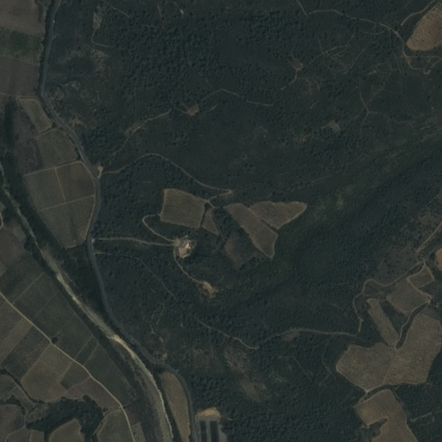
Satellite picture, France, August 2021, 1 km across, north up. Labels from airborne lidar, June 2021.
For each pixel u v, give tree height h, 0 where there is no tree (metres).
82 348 0
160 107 7
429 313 0
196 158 0
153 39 13
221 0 6
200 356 0
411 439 0
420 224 7
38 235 11
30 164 0
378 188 7
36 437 0
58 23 0
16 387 0
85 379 0
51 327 0
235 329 13
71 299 7
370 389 0
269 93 9
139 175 0
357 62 6
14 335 0
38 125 0
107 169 7
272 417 14
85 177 0
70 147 0
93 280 8
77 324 0
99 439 0
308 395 7
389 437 0
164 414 0
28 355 0
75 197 0
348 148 11
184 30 10
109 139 6
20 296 0
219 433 0
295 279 7
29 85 0
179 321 7
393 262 0
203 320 7
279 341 8
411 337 0
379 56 7
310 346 7
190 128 7
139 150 10
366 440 0
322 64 0
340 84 7
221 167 0
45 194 0
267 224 0
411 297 0
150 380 0
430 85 0
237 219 0
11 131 6
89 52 0
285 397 12
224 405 11
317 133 8
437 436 7
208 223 0
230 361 0
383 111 0
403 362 0
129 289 0
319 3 10
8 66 0
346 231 6
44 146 0
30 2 0
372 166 7
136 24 14
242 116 0
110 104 0
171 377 0
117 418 0
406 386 6
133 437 0
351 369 0
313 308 0
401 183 7
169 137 11
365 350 0
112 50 0
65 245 0
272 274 6
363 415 0
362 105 0
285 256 8
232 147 0
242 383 0
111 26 9
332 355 6
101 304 9
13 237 0
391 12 7
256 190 8
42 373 0
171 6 5
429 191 7
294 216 0
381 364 0
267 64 0
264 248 0
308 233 7
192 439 8
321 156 12
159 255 11
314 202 6
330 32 0
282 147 0
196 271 0
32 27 0
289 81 9
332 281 6
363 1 8
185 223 0
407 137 0
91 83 0
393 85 0
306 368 9
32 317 0
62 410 8
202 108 10
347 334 0
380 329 0
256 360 9
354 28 8
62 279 0
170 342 0
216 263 0
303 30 11
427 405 6
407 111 0
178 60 10
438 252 0
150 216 7
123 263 6
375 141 0
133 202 10
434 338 0
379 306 0
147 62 13
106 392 0
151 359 0
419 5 0
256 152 0
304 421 7
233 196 0
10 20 0
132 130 0
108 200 12
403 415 0
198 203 0
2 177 15
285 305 0
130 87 9
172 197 0
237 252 0
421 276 0
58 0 0
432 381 7
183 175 11
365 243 8
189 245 0
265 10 0
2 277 0
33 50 0
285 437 10
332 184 0
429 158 6
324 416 6
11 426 0
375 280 0
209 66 7
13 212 6
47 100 0
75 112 0
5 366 0
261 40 8
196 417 0
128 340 11
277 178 0
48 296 0
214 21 7
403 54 0
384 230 7
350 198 5
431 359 0
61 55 0
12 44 0
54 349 0
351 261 8
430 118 0
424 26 0
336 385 6
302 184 9
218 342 12
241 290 7
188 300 11
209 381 12
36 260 13
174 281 10
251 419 12
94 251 0
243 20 12
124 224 9
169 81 7
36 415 0
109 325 6
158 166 7
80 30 0
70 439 0
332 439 7
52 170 0
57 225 0
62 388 0
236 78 9
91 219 0
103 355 0
